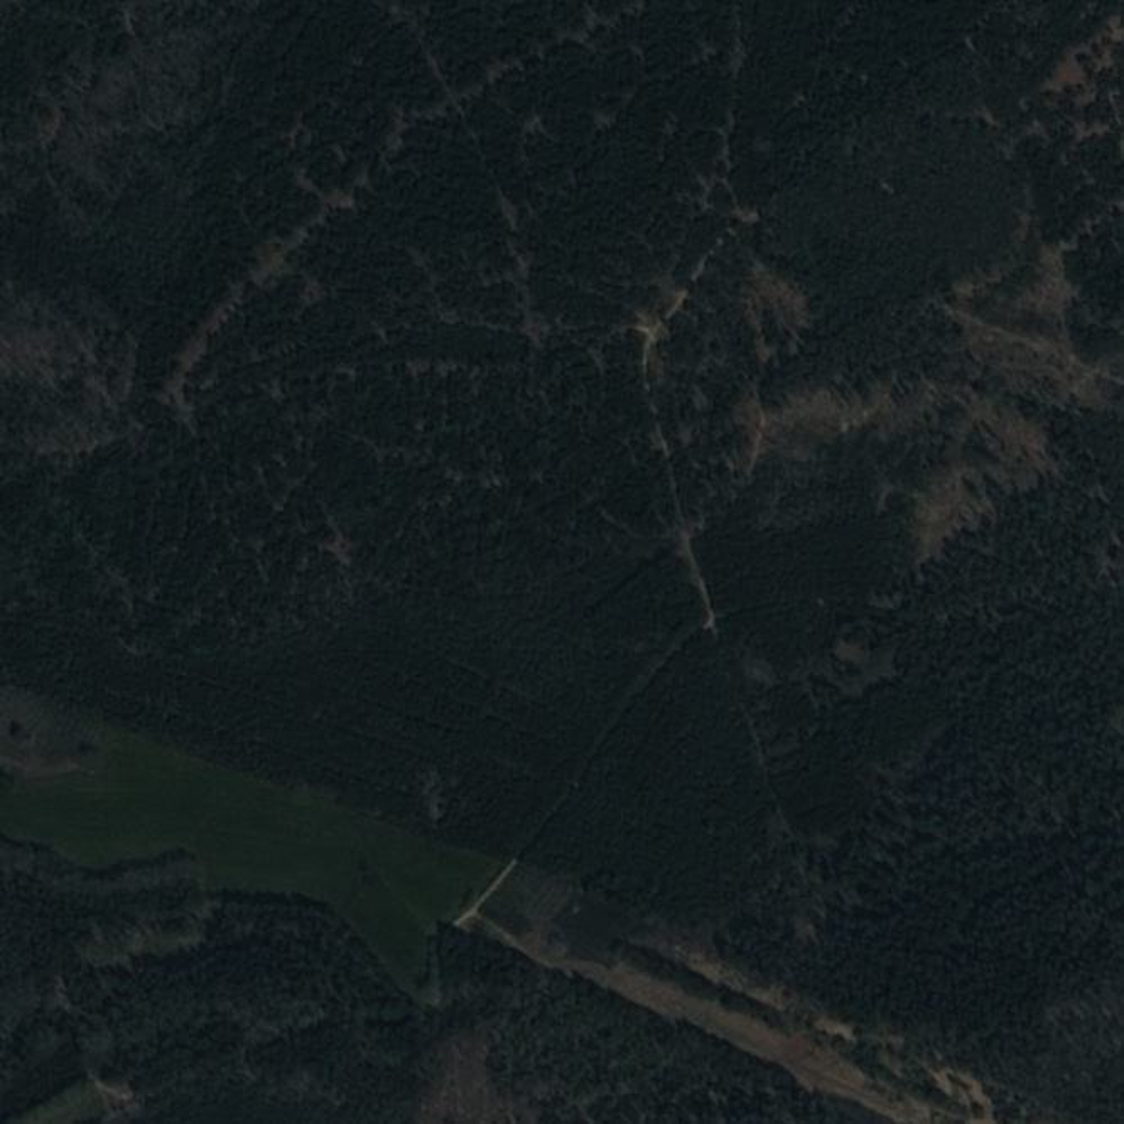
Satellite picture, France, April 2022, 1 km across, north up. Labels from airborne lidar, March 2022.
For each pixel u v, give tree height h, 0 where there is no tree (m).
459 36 15
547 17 12
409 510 9
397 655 13
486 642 11
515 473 11
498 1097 8
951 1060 14
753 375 11
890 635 30
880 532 8
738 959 19
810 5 15
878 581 8
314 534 7
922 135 19
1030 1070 21
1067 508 29
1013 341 0
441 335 8
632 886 13
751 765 11
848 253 20
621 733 11
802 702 11
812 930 0
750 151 7
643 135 16
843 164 20
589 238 13
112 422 19
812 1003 15
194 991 29
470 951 24
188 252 15
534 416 10
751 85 10
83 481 12
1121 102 8
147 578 6
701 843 13
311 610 9
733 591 11
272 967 26
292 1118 11
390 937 0
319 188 8
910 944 27
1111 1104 20
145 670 8
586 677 15
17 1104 8
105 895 26
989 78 8
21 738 19
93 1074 10
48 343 25
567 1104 9
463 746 11
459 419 9
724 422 8
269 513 11
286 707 12
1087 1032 29
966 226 20
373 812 10
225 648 7
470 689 11
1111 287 14
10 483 12
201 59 21
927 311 23
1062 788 26
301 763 12
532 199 12
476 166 11
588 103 14
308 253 8
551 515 16
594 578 8
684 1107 11
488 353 10
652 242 7
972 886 33
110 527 10
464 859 0
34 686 10
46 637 9
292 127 10
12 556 14
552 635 13
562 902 0
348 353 10
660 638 19
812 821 12
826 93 11
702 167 10
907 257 19
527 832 10
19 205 12
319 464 10
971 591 24
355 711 13
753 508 9
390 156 14
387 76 15
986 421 0
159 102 24
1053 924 24
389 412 12
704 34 11
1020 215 15
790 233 21
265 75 19
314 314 9
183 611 12
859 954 26
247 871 0
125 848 0
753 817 11
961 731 15
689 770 10
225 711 10
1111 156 8
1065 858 26
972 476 0
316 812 0
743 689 7
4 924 25
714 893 10
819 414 0
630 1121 10
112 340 19
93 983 28
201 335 12
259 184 12
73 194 15
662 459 13
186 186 17
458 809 10
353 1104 13
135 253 20
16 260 12
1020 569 22
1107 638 26
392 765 10
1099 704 27
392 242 12
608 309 9
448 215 13
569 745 11
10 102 21
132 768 0
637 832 12
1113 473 18
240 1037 21
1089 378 0
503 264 13
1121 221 20
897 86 11
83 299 20
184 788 0
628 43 9
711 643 11
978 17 14
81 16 17
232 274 14
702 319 7
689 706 8
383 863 0
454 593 9
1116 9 8
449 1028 9
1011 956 27
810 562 10
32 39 17
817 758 12
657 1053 14
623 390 11
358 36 14
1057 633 34
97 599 11
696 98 9
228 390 8
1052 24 8
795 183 16
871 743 22
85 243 15
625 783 14
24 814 0
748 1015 20
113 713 9
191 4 27
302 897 0
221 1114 11
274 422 8
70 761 0
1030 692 24
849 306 22
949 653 28
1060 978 29
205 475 11
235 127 14
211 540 11
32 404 26
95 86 9
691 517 6
